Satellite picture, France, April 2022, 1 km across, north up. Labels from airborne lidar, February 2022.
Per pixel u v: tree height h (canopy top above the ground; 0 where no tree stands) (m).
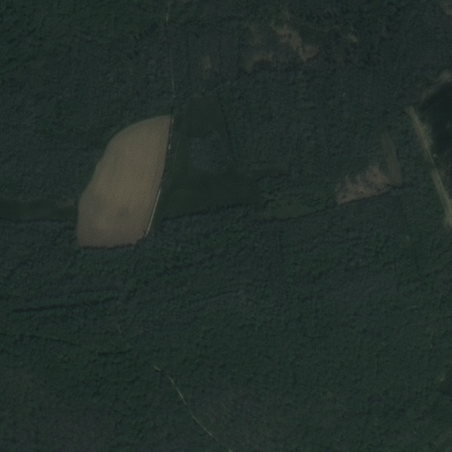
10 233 20
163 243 24
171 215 0
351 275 23
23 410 31
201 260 17
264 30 6
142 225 0
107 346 27
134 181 0
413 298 26
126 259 19
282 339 29
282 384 25
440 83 0
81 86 12
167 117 0
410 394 28
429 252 25
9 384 28
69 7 26
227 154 0
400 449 26
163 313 20
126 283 20
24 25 26
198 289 18
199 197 0
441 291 28
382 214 15
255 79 22
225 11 22
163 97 15
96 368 28
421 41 21
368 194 0
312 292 25
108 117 6
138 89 14
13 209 0
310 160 29
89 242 0
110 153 0
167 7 24
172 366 26
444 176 0
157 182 0
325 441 33
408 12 19
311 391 26
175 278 24
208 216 21
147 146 0
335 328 23
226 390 28
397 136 26
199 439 31
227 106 22
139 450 24
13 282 24
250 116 23
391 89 23
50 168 23
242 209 14
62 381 28
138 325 20
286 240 21
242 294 22
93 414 31
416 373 22
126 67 7
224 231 18
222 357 23
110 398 31
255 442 30
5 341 24
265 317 31
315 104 25
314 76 21
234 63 28
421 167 24
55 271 20
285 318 25
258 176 0
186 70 22
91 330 27
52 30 25
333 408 34
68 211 0
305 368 25
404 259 16
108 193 0
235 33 25
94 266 21
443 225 20
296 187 18
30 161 26
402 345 24
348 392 28
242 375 26
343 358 26
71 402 28
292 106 23
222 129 0
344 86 8
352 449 30
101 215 0
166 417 33
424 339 21
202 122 0
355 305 27
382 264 22
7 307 24
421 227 22
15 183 7
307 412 32
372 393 26
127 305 24
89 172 16
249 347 23
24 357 22
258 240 20
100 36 26
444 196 0
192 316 23
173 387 24
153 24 14
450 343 22
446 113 0
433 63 18
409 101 24
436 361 25
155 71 21
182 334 24
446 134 0
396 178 0
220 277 23
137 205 0
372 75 20
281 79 27
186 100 11
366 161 6
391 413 29
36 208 0
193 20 6
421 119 0
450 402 27
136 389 24
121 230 0
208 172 0
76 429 33
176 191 0
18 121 15
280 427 29
